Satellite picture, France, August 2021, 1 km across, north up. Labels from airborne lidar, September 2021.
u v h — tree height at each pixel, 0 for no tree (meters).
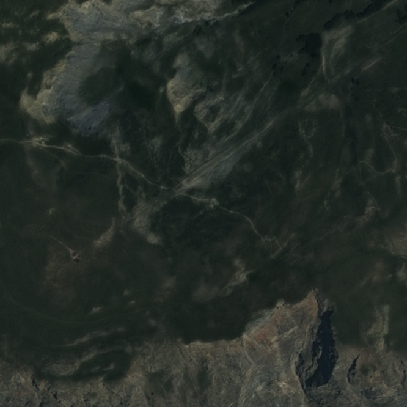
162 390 0
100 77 0
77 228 0
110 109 0
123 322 0
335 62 0
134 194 0
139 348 0
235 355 0
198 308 0
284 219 0
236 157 0
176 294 0
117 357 0
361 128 0
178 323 0
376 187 0
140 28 0
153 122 0
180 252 0
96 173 0
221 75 0
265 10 0
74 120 0
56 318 0
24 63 0
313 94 0
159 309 0
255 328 0
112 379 0
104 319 0
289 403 0
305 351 0
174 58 0
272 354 0
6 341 0
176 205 0
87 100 0
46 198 0
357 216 0
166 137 0
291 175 0
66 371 0
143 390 0
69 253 0
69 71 0
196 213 0
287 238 0
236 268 0
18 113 0
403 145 0
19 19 0
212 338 0
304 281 0
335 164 0
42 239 0
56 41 0
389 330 0
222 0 0
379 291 0
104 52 0
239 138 0
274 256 0
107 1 0
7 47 0
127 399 0
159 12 0
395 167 0
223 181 0
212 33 0
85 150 0
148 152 0
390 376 0
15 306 0
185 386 0
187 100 0
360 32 0
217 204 0
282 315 0
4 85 0
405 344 0
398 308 0
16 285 0
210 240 0
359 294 0
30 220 0
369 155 0
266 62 0
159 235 0
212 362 0
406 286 0
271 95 0
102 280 0
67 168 0
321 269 0
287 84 0
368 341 0
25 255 0
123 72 0
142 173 0
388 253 0
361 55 0
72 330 0
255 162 0
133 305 0
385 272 0
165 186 0
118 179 0
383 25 0
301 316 0
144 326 0
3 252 0
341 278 0
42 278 0
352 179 0
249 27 0
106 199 0
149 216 0
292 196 0
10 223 0
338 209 0
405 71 0
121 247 0
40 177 0
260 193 0
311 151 0
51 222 0
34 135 0
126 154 0
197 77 0
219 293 0
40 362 0
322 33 0
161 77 0
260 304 0
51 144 0
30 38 0
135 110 0
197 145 0
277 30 0
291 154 0
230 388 0
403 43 0
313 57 13
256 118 0
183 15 0
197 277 0
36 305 0
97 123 0
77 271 0
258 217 0
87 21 0
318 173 0
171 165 0
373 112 0
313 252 0
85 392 0
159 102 0
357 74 0
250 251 0
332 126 0
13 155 0
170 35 0
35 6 0
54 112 0
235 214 0
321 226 0
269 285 0
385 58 0
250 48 0
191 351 0
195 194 0
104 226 0
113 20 0
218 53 0
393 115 0
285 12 0
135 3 0
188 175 0
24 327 0
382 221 0
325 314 0
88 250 0
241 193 0
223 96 0
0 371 0
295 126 0
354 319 0
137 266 0
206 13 0
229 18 0
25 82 0
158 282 0
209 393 0
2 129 0
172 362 0
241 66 0
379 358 0
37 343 0
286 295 0
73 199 0
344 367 0
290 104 0
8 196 0
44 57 0
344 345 0
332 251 0
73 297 0
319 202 0
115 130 0
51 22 0
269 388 0
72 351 0
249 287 0
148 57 0
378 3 9
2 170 0
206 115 0
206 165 0
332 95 0
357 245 0
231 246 0
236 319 0
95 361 0
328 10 0
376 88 0
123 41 0
